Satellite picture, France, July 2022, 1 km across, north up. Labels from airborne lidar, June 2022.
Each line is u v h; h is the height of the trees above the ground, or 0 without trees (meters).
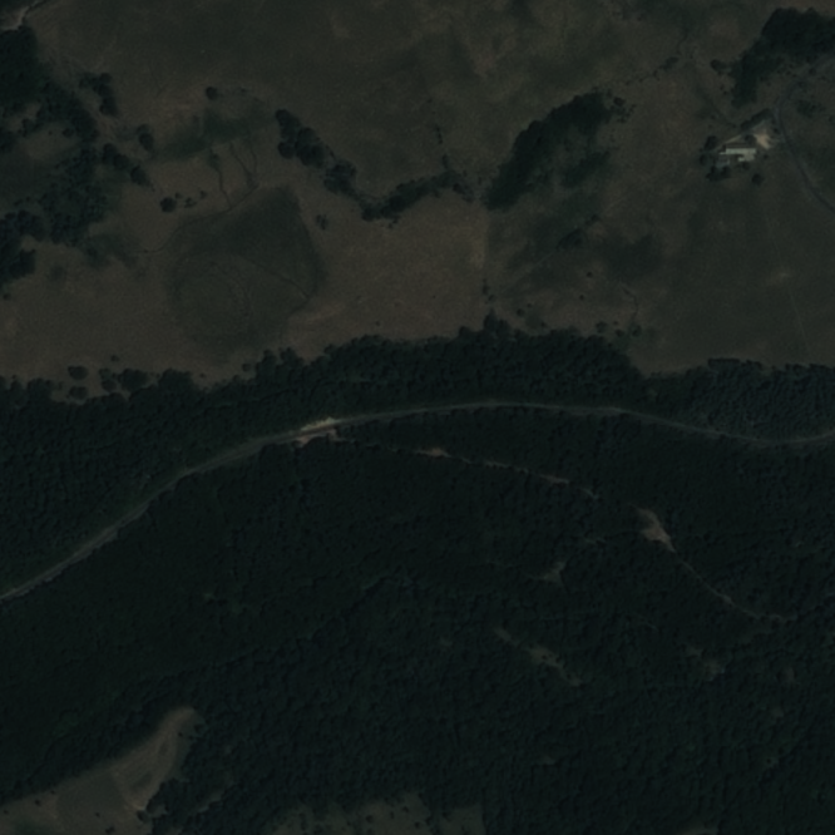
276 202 0
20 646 17
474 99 0
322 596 16
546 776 12
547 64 0
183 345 0
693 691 12
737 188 0
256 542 19
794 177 0
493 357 9
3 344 0
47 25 0
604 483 19
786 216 0
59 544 17
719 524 14
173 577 20
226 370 0
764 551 19
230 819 19
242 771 7
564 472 30
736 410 23
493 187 7
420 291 0
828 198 0
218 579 25
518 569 10
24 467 17
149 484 15
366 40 0
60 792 0
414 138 0
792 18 12
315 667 22
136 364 0
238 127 0
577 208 0
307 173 0
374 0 0
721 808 13
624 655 20
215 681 15
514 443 21
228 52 0
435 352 23
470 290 0
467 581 18
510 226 0
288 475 16
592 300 0
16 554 25
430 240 0
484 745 6
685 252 0
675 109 0
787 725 15
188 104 0
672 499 18
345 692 18
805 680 14
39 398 12
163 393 16
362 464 23
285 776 20
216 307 0
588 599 7
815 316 0
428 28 0
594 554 14
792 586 7
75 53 0
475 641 9
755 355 0
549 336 7
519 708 16
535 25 0
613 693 6
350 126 0
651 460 20
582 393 21
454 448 21
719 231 0
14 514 17
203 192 6
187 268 0
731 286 0
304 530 10
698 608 15
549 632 18
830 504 26
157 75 0
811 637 5
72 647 18
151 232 0
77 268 0
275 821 9
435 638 7
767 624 10
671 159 0
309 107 0
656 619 13
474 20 0
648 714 13
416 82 0
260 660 20
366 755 12
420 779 13
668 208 0
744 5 0
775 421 24
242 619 11
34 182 0
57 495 18
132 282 0
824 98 0
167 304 0
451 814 6
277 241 0
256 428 17
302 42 0
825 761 19
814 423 22
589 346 10
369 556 9
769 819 21
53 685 26
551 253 0
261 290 0
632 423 16
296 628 18
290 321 0
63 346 0
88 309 0
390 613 11
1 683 26
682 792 15
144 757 0
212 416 23
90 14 0
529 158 15
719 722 7
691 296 0
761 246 0
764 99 0
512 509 14
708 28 0
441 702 20
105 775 0
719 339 0
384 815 0
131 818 0
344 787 14
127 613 21
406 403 12
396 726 9
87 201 6
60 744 16
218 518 17
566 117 14
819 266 0
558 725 18
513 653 17
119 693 10
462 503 21
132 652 22
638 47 0
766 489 21
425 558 15
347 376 12
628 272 0
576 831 7
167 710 13
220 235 0
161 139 0
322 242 0
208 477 14
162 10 0
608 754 22
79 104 11
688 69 0
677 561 12
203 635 18
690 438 14
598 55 0
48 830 0
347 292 0
